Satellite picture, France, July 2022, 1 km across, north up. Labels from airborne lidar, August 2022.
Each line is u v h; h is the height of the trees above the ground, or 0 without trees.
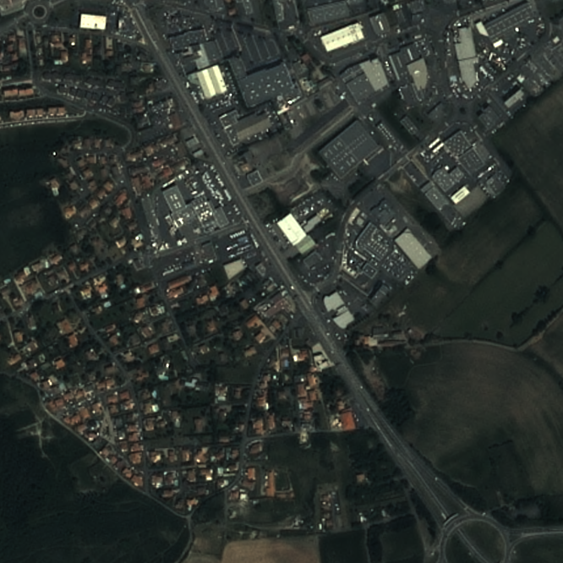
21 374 6
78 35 0
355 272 0
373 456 9
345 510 0
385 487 6
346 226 0
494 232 0
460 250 0
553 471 0
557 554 0
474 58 0
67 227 8
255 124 0
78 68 0
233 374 0
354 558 0
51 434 0
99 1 0
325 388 9
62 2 0
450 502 0
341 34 0
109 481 0
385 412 7
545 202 0
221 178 0
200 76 0
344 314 0
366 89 0
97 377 8
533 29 0
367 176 0
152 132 0
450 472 0
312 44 0
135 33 0
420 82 0
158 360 12
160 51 0
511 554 0
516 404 0
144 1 0
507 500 8
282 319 0
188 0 0
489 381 0
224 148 0
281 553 0
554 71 0
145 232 0
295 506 0
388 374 0
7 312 9
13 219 0
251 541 0
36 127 0
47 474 6
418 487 0
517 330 0
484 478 0
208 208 0
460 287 0
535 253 0
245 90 0
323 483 0
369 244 0
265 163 0
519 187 0
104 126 0
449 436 0
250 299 0
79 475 0
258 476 0
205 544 0
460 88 0
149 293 9
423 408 0
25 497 9
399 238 0
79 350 9
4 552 6
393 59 0
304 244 0
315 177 6
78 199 0
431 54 0
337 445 0
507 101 0
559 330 0
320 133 0
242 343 7
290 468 0
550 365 0
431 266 11
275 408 11
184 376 7
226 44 0
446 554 0
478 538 0
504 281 0
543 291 16
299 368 8
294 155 0
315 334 0
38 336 9
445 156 0
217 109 0
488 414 0
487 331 6
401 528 11
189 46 0
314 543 0
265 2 6
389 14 0
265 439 0
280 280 0
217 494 8
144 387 9
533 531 0
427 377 0
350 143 0
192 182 0
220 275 0
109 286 6
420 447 0
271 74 0
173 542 0
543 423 0
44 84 0
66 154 9
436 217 7
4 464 10
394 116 0
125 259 0
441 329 0
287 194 0
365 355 11
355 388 0
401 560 0
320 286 0
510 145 0
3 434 7
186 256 0
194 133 0
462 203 0
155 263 0
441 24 0
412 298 0
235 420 7
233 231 0
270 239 0
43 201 9
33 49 12
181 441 0
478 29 0
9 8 0
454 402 0
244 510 0
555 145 0
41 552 0
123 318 0
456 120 0
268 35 0
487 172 0
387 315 8
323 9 0
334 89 0
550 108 0
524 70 0
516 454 0
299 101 0
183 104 0
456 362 0
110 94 0
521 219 0
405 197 0
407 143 0
